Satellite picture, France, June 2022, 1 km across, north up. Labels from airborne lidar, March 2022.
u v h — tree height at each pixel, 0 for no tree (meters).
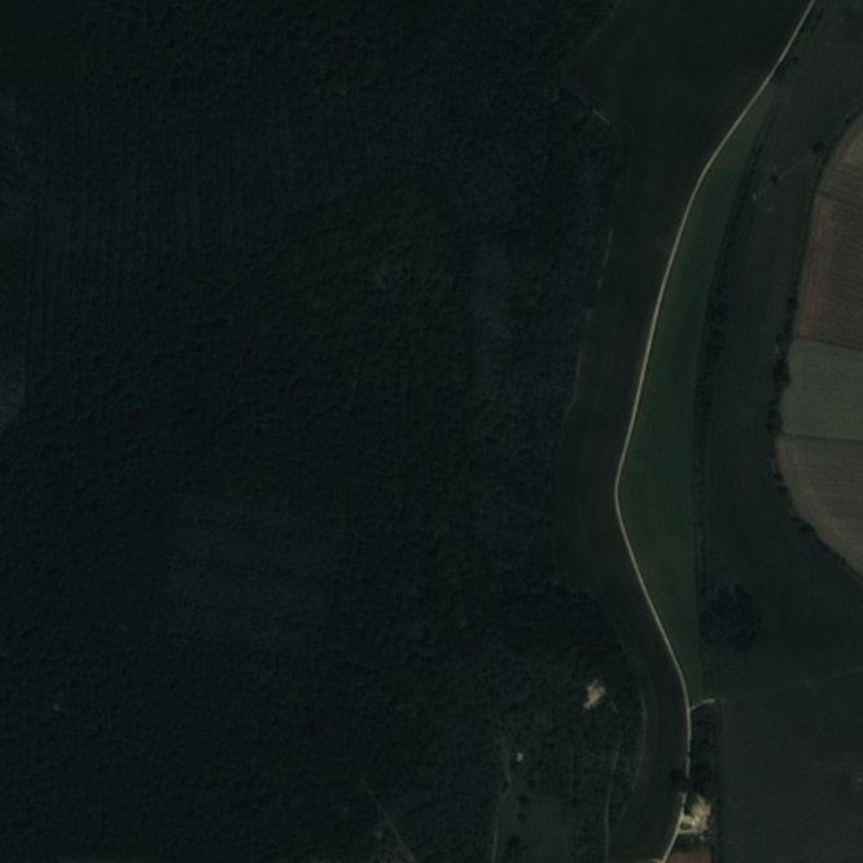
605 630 14
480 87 17
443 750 10
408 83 13
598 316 0
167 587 12
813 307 0
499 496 19
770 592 0
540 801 0
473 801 16
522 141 16
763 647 0
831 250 0
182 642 8
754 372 0
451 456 15
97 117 16
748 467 0
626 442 0
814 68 0
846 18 0
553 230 16
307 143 14
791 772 0
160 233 14
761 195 0
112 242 17
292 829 14
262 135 11
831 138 0
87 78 17
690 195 0
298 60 17
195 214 15
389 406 15
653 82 0
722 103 0
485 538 21
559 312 20
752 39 0
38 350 15
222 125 13
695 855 0
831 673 0
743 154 0
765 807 0
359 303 13
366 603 17
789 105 0
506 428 19
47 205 16
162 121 15
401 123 14
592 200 22
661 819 0
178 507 13
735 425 0
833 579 0
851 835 0
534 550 21
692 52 0
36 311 19
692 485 0
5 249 14
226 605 10
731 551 0
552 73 20
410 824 13
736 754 0
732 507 0
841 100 0
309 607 9
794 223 0
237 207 16
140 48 21
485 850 8
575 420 0
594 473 0
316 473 13
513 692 16
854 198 0
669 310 0
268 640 10
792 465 0
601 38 0
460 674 14
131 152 16
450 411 15
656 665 0
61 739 13
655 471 0
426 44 17
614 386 0
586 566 0
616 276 0
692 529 0
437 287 12
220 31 12
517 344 21
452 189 14
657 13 0
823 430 0
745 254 0
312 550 8
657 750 0
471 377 17
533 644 10
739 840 0
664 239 0
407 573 15
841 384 0
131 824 14
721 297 12
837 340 0
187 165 16
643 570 0
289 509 7
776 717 0
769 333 0
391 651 16
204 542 11
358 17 16
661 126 0
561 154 21
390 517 13
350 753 15
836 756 0
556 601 21
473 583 19
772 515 0
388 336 11
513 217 6
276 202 18
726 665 0
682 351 0
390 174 14
